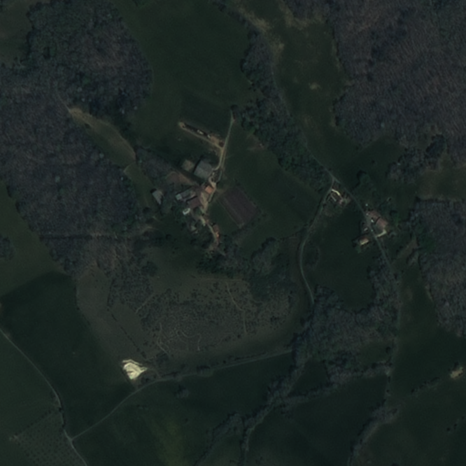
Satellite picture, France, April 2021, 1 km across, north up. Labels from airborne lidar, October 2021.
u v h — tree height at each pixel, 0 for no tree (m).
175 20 0
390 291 20
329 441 0
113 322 0
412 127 17
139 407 8
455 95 26
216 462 0
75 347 0
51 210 14
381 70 10
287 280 7
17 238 0
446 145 15
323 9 15
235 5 0
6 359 0
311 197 0
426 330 0
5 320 0
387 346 0
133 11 0
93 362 0
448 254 17
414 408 0
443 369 0
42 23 26
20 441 12
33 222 21
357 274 0
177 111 0
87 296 0
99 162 10
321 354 23
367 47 11
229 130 0
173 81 0
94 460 0
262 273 11
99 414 0
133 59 21
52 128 16
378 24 9
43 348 0
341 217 0
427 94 14
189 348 0
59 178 15
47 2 0
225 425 7
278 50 0
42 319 0
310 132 0
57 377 0
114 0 0
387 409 8
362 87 18
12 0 20
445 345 0
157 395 0
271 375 0
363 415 0
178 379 17
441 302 12
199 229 14
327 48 0
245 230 13
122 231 22
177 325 0
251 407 0
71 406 0
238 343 0
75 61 24
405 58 16
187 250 0
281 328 0
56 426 10
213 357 0
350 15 20
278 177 0
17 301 0
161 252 0
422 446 0
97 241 17
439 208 20
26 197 16
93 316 0
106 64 21
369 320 21
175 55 0
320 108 0
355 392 0
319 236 0
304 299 0
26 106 12
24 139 14
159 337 0
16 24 0
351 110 22
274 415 0
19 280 0
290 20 0
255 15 0
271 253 21
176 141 0
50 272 0
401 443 0
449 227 18
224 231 0
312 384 0
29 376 0
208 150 0
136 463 0
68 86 11
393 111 6
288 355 0
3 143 25
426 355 0
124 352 0
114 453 0
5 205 0
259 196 0
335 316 23
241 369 0
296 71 0
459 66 26
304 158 10
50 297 0
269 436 0
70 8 20
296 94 0
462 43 23
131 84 14
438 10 19
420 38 19
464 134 15
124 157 0
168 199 22
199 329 0
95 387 0
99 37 22
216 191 0
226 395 0
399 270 0
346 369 19
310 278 0
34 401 0
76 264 17
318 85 0
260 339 0
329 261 0
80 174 12
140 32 0
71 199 15
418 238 10
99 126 0
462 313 16
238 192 0
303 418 0
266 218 11
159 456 0
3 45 0
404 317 0
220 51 0
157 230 0
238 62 0
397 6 17
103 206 16
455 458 0
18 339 0
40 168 10
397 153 0
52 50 23
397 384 0
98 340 0
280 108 23
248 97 0
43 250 0
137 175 0
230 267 10
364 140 19
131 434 0
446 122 14
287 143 24
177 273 0
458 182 0
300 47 0
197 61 0
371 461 0
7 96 13
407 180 15
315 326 20
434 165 13
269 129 25
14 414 0
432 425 0
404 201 0
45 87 15
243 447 14
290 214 0
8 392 0
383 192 0
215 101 0
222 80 0
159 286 0
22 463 0
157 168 15
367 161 0
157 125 0
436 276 22
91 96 13
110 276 9
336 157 0
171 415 0
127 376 0
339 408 0
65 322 0
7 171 21
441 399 0
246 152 0
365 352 0
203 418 0
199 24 0
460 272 22
